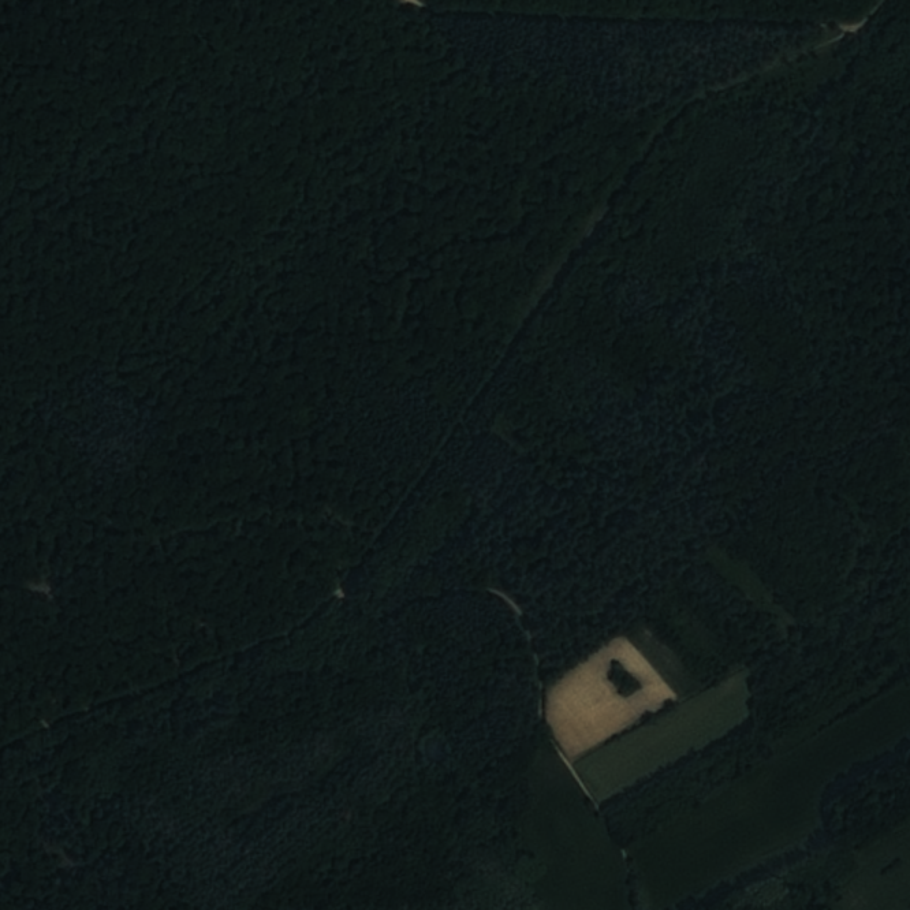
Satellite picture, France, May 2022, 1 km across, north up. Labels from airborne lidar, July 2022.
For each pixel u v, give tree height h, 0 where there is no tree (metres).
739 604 26
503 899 21
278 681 21
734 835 0
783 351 25
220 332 18
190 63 16
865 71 24
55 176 23
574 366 28
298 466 28
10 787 23
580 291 18
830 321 25
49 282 24
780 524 27
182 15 22
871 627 22
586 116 24
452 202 26
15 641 23
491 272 23
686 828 0
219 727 16
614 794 0
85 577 23
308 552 27
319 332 26
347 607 18
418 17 21
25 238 22
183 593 22
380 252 30
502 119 22
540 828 0
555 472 13
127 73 25
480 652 21
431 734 13
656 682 0
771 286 22
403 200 9
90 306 27
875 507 21
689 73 24
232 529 14
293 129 26
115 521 29
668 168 23
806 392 25
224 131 19
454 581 26
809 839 0
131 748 18
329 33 24
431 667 25
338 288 26
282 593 27
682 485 29
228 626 20
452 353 22
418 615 20
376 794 20
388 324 23
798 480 26
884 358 22
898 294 27
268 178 25
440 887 13
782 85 8
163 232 24
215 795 21
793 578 24
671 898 0
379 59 21
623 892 0
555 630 23
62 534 26
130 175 26
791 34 33
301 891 16
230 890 26
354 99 21
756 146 18
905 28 19
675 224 18
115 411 29
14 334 26
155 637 24
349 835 20
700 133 17
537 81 16
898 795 29
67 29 25
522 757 26
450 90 26
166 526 22
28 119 22
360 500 27
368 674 22
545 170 21
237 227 19
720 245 16
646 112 26
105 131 27
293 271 22
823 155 31
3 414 27
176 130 20
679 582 14
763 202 25
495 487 33
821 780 0
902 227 24
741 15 12
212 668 22
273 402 29
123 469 27
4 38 26
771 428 26
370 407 24
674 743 0
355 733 12
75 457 21
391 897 15
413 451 24
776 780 0
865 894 0
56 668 27
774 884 23
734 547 26
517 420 30
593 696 0
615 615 25
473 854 19
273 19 23
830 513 26
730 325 27
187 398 28
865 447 20
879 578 19
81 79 26
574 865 0
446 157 16
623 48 30
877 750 0
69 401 27
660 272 12
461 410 16
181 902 15
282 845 27
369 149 22
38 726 13
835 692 17
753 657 11
